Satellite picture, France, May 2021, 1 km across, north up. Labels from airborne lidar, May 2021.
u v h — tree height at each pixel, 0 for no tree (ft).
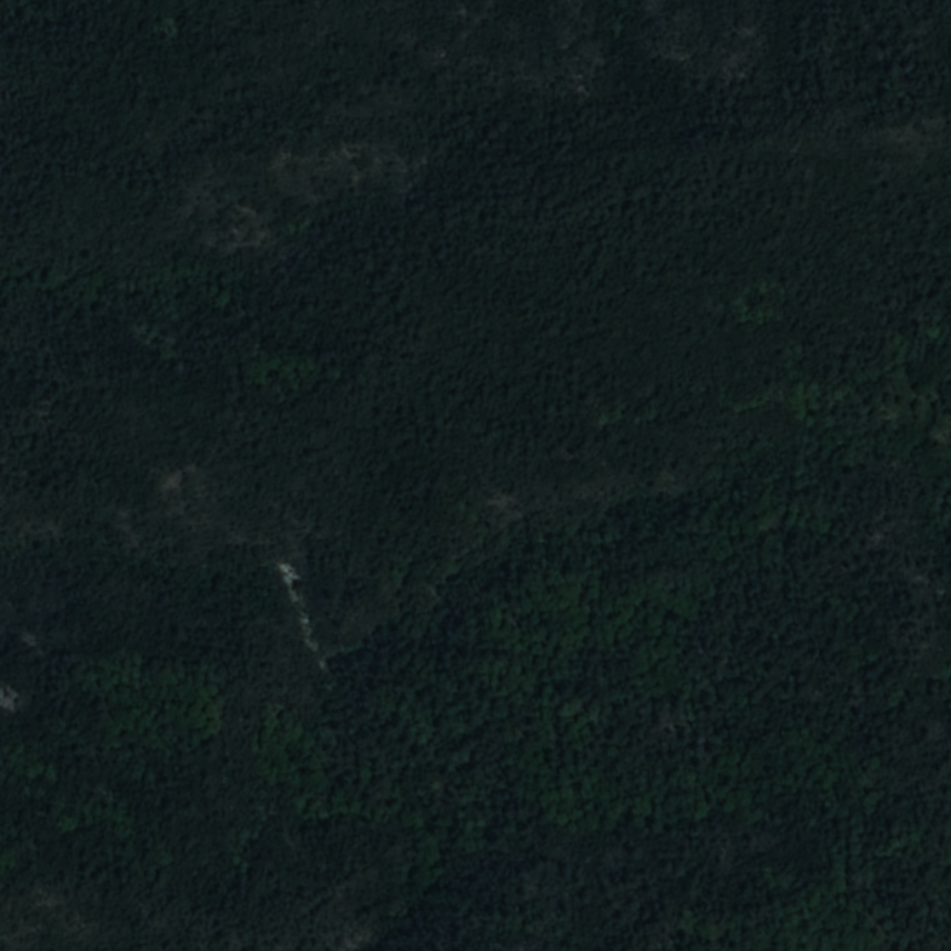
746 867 41
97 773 42
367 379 70
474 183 26
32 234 39
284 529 37
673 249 43
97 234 39
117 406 30
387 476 48
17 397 36
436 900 30
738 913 47
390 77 66
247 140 42
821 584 20
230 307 63
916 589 27
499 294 65
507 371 38
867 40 20
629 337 44
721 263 48
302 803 53
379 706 35
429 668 50
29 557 24
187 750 38
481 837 45
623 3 54
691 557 67
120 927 31
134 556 53
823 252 39
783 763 42
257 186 30
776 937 60
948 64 42
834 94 47
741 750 24
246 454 42
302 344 54
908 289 47
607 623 67
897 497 68
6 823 59
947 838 76
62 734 48
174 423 38
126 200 43
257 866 33
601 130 24
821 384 47
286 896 83
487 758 94
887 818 33
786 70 48
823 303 54
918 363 58
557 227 46
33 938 30
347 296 40
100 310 86
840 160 23
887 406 37
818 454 30
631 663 75
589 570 32
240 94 56
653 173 26
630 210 88
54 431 40
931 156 27
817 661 51
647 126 39
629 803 54
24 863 36
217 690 50
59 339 29
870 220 72
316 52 36
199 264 51
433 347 49
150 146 30
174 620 29
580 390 49
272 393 45
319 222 19
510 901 29
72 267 37
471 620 60
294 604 24
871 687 56
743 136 50
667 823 25
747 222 79
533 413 69
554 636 68
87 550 26
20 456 22
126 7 40
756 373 42
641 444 40
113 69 52
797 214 31
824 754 29
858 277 38
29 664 31
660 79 43
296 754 64
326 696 66
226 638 48
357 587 69
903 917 53
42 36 31
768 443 24
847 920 50
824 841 24
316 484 34
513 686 59
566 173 42
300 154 22
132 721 53
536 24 38
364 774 48
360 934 23
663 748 36
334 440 24
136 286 31
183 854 44
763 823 28
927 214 79
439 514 61
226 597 23
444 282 59
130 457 35
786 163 59
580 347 63
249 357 42
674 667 58
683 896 35
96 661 38
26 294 50
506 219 60
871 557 18
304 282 38
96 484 37
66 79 49
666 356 38
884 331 64
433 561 76
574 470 57
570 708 46
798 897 44
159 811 49
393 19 20
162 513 21
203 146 31
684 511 19
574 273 58
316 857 49
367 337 18
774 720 36
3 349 26
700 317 44
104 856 46
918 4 51
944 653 36
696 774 47
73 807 46
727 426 69
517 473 40
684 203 87
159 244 34
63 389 63
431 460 79
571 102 26
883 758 43
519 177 63
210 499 26
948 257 49
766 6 35
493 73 47
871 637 32
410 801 53
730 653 52
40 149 68
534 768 51
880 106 49
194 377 38
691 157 62
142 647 43
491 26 37
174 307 35
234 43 25
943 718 32
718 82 35
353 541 36
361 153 20
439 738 41
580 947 41
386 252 61
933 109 21
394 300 36
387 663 70
